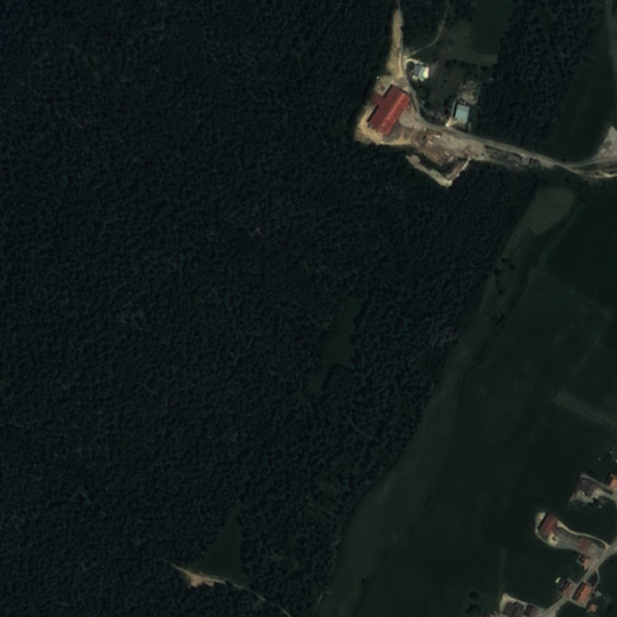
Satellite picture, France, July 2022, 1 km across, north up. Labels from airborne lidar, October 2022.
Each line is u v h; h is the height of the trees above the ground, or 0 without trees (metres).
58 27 10
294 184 27
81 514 25
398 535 0
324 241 23
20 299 26
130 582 25
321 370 18
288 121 8
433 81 0
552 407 0
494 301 0
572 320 0
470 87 0
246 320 22
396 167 11
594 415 0
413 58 0
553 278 0
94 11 21
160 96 31
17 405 11
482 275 6
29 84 21
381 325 22
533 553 0
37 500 12
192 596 28
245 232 25
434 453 0
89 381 23
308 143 20
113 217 21
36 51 8
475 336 0
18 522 22
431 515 0
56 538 19
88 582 18
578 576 0
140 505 26
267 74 28
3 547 21
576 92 0
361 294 18
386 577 0
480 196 13
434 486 0
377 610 0
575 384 0
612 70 0
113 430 22
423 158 7
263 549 6
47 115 25
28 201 8
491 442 0
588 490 0
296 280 22
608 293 0
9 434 19
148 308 23
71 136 18
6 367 24
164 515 28
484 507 0
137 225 22
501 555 0
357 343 25
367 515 0
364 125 0
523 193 10
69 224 18
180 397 22
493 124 8
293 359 16
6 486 15
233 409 19
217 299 8
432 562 0
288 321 21
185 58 23
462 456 0
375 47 23
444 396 0
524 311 0
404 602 0
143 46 21
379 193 16
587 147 0
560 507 0
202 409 21
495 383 0
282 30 27
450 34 0
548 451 0
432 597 0
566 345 0
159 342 23
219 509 23
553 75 26
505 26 0
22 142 26
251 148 23
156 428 11
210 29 21
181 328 11
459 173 0
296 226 13
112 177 7
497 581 0
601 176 0
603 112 0
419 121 0
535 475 0
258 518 17
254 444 25
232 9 16
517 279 0
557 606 0
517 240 0
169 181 24
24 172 18
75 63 22
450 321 22
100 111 12
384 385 29
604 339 0
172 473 23
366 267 19
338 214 23
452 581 0
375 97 0
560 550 0
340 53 18
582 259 0
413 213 17
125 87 26
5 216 24
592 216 0
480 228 19
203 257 24
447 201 12
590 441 0
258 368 23
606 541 0
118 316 30
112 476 16
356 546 0
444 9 7
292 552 14
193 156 26
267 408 28
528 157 0
